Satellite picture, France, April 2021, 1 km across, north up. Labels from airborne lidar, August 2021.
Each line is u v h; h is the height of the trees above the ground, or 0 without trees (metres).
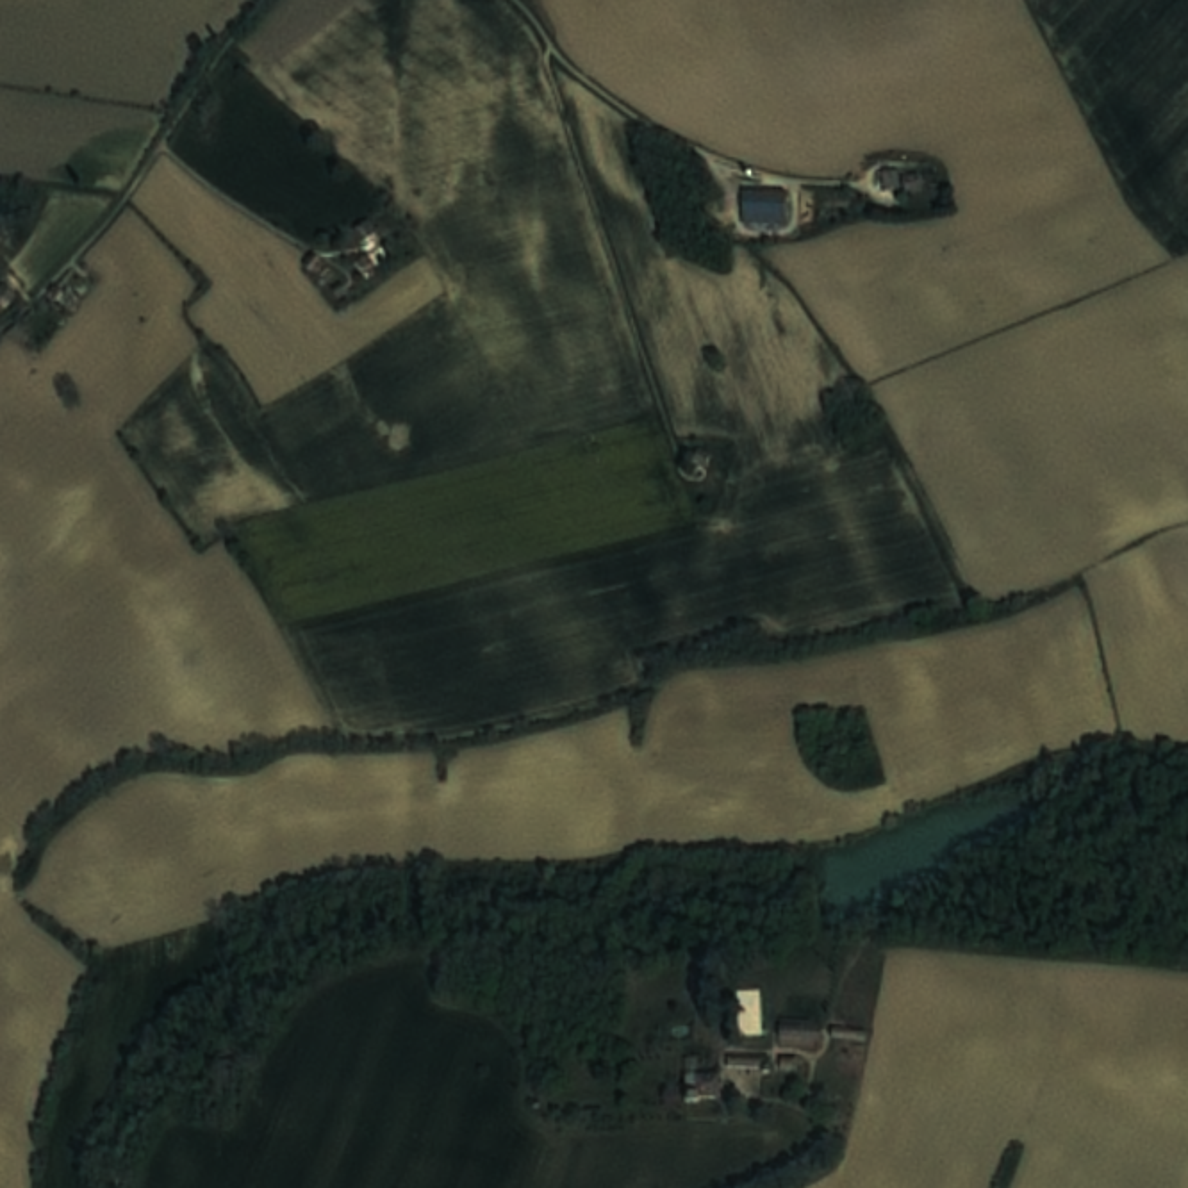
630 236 0
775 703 0
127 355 0
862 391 13
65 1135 0
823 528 0
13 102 0
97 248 0
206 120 23
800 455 0
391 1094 0
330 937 26
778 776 0
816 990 0
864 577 0
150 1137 7
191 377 0
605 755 0
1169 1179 0
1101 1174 0
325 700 0
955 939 19
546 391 0
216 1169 0
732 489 0
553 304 0
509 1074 0
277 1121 0
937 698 0
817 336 0
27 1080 0
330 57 0
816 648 13
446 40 0
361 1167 0
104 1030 0
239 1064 14
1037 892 25
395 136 0
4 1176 0
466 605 0
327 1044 0
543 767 0
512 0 0
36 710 0
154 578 0
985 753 0
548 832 0
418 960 0
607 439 0
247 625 0
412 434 0
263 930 12
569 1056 10
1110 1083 0
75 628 0
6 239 0
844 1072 0
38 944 0
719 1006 20
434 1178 0
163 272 0
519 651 0
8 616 0
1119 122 0
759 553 0
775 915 22
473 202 0
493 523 0
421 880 27
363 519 0
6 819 0
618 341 0
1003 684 0
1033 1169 0
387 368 0
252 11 13
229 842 0
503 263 0
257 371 0
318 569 0
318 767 0
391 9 0
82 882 0
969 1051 0
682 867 20
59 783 0
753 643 13
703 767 0
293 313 0
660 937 27
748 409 0
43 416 0
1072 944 16
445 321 0
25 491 0
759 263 0
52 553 0
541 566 0
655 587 0
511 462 0
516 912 26
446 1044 0
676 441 0
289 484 0
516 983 19
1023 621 0
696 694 0
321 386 0
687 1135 0
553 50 0
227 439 0
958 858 14
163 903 0
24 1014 0
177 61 0
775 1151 0
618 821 0
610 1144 0
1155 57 0
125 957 0
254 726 0
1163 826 26
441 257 0
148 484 0
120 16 0
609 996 22
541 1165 0
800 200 0
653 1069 0
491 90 0
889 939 16
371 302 0
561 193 0
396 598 0
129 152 0
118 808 0
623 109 0
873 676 0
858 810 0
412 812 0
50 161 0
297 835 0
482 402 0
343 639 0
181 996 14
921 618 13
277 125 0
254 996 24
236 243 0
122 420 0
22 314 9
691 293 0
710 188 17
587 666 0
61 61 0
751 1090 0
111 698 0
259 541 0
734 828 0
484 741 6
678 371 0
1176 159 0
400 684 0
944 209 13
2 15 0
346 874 28
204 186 0
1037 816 19
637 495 0
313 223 0
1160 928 16
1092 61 0
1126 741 12
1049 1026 0
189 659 0
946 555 0
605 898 20
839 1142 16
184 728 0
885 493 0
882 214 15
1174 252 0
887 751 0
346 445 0
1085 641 0
